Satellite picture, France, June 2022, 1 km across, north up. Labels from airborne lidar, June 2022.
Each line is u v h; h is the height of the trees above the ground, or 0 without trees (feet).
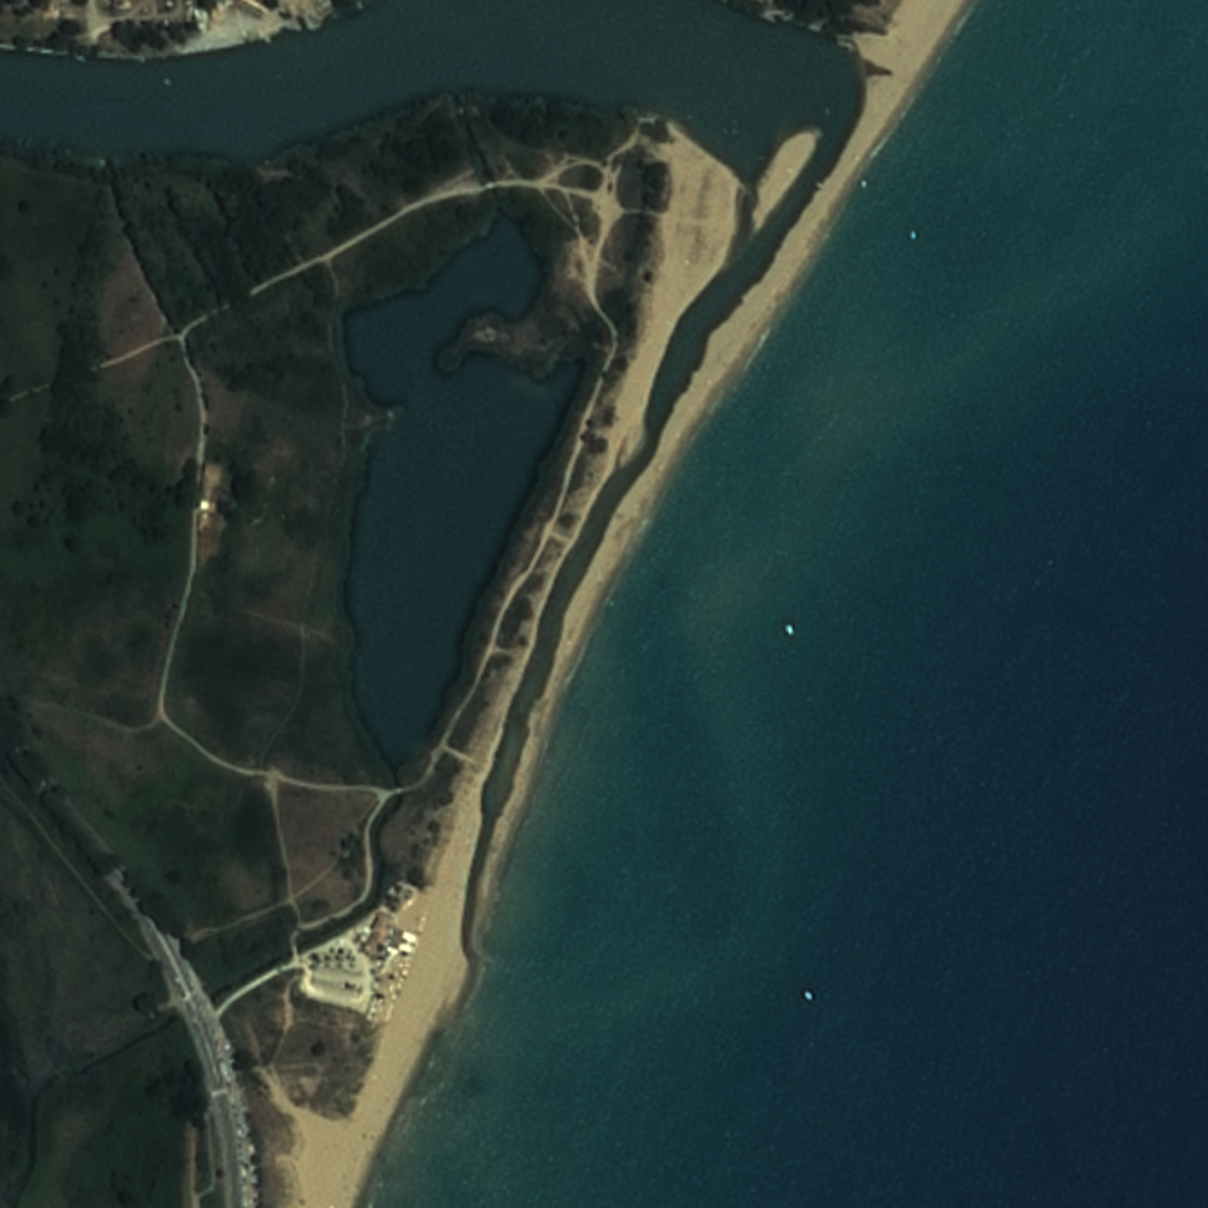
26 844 0
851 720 0
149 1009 35
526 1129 0
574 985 0
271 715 0
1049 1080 0
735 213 0
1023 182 0
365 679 0
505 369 0
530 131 32
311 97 0
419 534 0
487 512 0
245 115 0
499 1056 0
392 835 0
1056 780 0
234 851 0
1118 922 0
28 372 0
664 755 0
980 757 0
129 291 0
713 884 0
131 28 51
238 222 26
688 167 0
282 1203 0
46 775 33
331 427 0
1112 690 0
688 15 0
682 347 0
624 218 0
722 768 0
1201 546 0
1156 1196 0
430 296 0
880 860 0
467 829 0
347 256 0
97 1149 19
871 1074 0
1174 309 0
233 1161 0
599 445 25
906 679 0
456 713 0
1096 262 0
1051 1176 0
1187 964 0
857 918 0
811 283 0
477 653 0
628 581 0
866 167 0
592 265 0
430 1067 0
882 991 0
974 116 0
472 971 0
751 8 24
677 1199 0
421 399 0
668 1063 0
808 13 34
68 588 0
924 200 0
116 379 0
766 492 0
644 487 0
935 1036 0
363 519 0
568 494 0
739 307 0
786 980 0
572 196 0
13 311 0
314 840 0
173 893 20
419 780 0
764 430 0
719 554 0
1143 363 0
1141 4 0
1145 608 0
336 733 0
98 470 22
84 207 0
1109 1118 0
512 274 0
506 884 0
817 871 0
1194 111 0
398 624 0
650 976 0
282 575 0
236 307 28
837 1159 0
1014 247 0
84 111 0
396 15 0
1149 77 0
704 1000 0
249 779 0
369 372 0
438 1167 0
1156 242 0
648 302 0
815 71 0
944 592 0
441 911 0
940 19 0
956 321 0
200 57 0
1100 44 0
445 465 0
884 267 0
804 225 0
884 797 0
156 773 0
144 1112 19
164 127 0
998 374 0
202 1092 32
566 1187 0
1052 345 0
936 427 0
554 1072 0
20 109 0
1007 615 0
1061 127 0
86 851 34
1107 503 0
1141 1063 0
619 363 0
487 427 0
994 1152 0
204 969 20
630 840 0
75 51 54
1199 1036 0
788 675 0
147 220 18
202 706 0
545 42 0
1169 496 0
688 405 0
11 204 0
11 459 0
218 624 0
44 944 0
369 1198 0
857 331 0
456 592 0
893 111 0
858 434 0
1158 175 0
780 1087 0
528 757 0
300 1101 0
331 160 23
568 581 0
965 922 0
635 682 0
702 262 0
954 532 0
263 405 0
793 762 0
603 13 0
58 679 0
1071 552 0
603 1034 0
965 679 0
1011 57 0
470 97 22
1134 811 0
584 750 0
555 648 0
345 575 0
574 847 0
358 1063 0
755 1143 0
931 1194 0
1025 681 0
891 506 0
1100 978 0
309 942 22
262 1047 0
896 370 0
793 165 0
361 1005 0
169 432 0
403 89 0
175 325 32
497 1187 0
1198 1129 0
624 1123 0
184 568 18
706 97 0
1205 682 0
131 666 0
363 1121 0
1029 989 0
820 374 0
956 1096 0
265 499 0
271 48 0
